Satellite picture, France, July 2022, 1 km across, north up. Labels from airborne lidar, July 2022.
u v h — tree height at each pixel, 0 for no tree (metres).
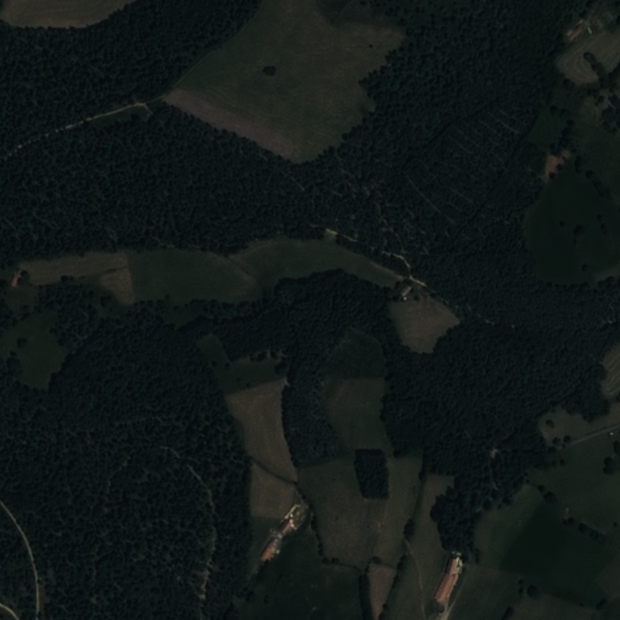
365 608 11
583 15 18
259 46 0
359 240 12
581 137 0
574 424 0
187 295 0
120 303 0
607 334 14
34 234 15
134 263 0
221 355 0
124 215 15
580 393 24
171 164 16
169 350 23
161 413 20
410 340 0
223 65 0
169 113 11
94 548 14
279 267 0
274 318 20
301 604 0
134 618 10
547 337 16
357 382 0
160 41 22
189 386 19
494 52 16
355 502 0
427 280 16
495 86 15
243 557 14
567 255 0
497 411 17
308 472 0
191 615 18
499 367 19
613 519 0
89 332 16
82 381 18
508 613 12
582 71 0
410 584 0
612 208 0
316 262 0
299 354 26
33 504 14
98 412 16
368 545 0
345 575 0
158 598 8
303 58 0
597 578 0
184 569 14
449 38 13
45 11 0
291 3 0
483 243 16
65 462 6
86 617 17
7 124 18
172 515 14
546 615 0
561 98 0
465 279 19
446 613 0
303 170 16
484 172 16
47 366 0
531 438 16
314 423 23
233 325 23
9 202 21
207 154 15
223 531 22
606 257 0
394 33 0
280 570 0
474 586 0
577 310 20
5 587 8
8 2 0
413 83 13
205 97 0
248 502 14
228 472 15
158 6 26
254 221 18
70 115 18
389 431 10
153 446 18
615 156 0
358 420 0
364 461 26
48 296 14
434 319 0
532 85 20
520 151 18
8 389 11
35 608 14
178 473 20
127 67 15
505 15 12
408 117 14
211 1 16
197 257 0
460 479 25
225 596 17
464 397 20
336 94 0
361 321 27
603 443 0
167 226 17
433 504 0
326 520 0
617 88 7
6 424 12
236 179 11
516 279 19
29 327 0
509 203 15
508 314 19
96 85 24
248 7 17
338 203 18
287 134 0
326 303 28
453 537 30
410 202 15
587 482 0
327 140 0
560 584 0
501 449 20
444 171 18
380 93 12
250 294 0
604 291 10
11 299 0
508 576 0
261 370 0
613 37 0
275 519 0
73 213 17
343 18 0
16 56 16
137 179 19
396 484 0
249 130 0
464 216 20
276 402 0
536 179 16
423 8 6
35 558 16
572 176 0
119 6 0
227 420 10
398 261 13
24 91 17
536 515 0
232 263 0
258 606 0
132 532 15
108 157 10
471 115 14
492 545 0
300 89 0
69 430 16
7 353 0
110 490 8
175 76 11
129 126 15
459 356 18
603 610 11
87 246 10
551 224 0
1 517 10
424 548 0
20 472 11
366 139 19
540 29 18
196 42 13
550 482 0
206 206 11
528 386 17
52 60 19
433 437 16
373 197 15
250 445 0
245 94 0
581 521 0
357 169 16
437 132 14
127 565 10
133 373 12
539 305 19
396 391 15
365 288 20
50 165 11
